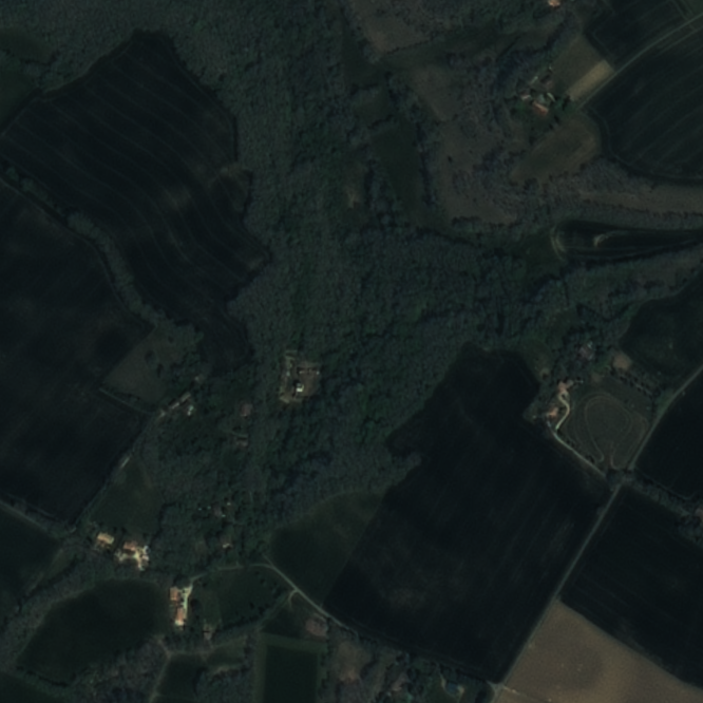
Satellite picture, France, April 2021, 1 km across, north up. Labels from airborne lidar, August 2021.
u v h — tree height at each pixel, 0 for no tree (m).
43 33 14
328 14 17
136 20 17
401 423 12
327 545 0
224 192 0
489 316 17
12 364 0
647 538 0
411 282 20
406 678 9
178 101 0
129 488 0
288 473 9
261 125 19
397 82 15
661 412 14
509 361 0
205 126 0
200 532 14
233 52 15
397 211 35
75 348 0
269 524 16
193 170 0
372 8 0
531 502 0
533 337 11
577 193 13
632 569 0
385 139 0
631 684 0
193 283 0
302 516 14
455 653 0
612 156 0
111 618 0
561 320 0
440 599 0
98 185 0
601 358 13
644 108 0
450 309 19
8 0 21
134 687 14
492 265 15
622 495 0
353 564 0
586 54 0
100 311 0
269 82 26
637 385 8
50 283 0
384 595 0
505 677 0
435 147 19
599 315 9
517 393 0
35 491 0
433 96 0
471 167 0
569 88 0
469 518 0
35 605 19
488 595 0
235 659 0
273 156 21
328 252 21
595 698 0
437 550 0
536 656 0
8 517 0
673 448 0
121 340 0
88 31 19
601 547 0
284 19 21
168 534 20
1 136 0
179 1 9
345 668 0
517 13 20
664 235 0
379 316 27
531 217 22
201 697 15
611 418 0
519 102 12
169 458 16
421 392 16
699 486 0
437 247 27
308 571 0
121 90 0
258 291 21
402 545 0
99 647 0
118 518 0
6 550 0
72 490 0
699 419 0
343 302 25
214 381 17
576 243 0
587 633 0
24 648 7
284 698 0
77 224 20
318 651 0
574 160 0
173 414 14
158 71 0
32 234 0
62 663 0
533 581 0
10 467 0
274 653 0
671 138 0
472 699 0
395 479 19
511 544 0
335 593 0
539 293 16
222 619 0
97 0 16
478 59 0
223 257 0
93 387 0
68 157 0
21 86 0
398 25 0
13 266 0
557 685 0
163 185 0
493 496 0
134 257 0
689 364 0
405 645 0
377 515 0
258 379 11
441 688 0
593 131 0
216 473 12
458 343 16
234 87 19
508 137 12
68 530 14
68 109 0
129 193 0
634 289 13
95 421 0
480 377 0
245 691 19
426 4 14
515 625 0
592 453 0
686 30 0
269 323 22
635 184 19
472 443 0
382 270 28
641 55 0
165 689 0
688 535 16
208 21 13
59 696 13
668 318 0
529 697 0
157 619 0
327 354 11
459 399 0
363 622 0
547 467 0
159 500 0
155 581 12
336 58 18
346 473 16
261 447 22
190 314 0
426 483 0
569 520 0
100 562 20
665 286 12
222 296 0
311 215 18
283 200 20
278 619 0
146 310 16
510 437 0
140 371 0
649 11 0
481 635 0
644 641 0
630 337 0
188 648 16
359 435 18
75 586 21
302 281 20
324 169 13
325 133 19
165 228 0
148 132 0
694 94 0
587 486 0
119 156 0
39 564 0
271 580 0
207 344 0
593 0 15
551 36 0
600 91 0
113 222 0
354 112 19
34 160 0
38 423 0
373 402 22
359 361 23
